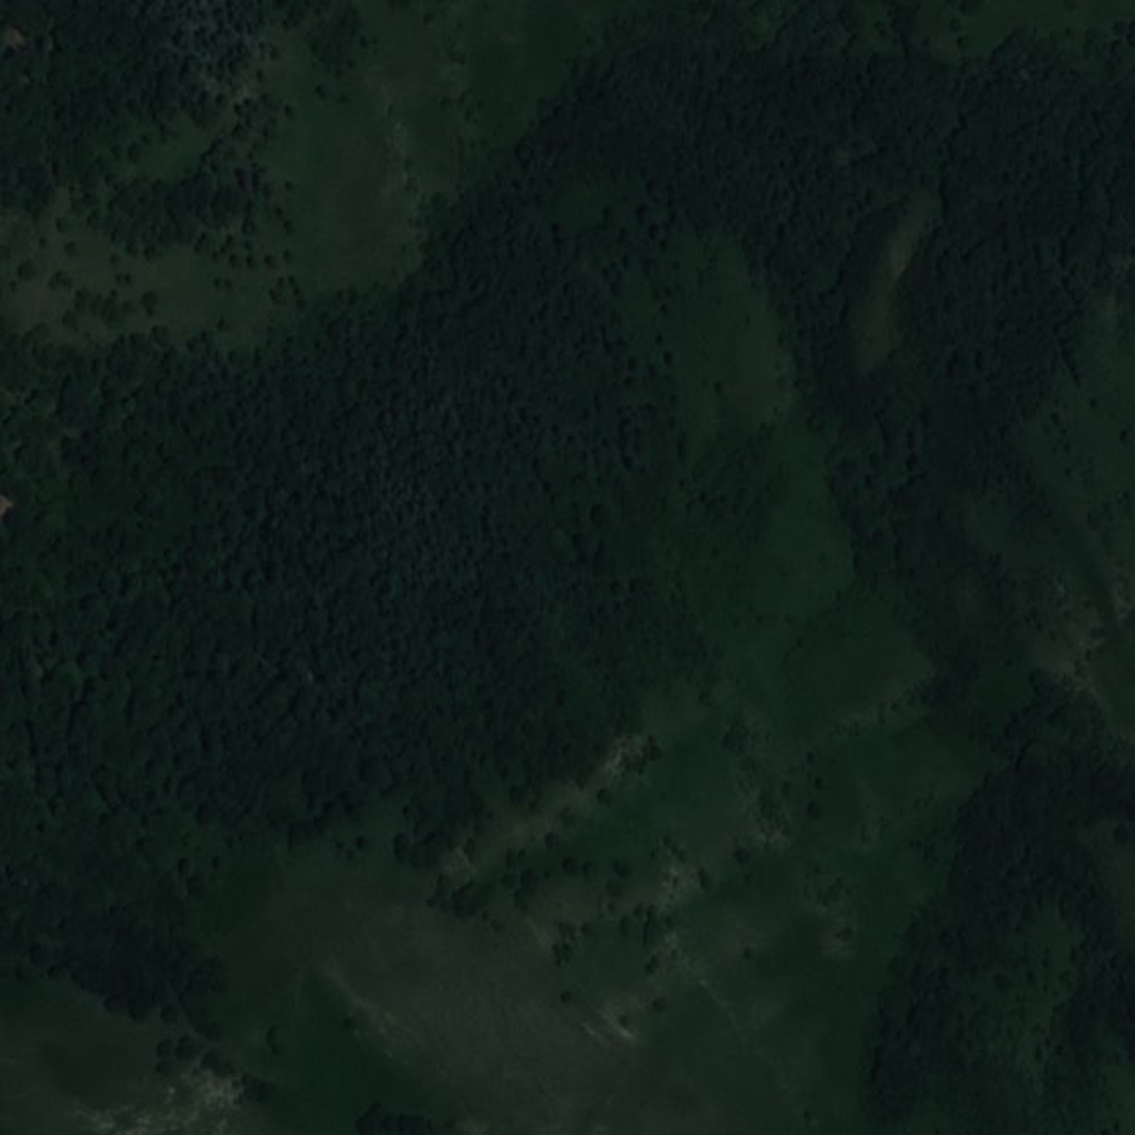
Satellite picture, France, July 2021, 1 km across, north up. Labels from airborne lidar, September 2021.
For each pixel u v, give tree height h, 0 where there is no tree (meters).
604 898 8
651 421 12
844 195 20
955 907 11
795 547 0
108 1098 0
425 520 19
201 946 21
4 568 22
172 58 20
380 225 0
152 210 18
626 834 0
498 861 0
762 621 8
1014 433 12
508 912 0
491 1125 0
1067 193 12
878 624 0
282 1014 0
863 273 13
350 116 0
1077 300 15
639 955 0
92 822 27
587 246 6
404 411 16
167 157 0
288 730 26
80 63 22
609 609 18
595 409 8
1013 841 21
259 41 22
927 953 12
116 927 21
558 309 12
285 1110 0
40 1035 0
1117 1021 13
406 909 0
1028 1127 8
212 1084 0
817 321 12
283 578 25
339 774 22
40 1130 0
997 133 22
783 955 0
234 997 0
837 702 0
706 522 8
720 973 0
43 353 13
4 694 14
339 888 0
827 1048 0
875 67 21
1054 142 11
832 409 11
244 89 17
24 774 22
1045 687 15
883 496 13
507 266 21
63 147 22
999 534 0
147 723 31
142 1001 16
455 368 13
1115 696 0
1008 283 10
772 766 6
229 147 26
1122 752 11
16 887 22
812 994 0
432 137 0
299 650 18
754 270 8
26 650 32
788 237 26
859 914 0
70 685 31
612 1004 0
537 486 13
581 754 15
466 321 19
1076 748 23
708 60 22
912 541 19
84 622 24
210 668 9
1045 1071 8
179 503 9
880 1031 10
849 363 15
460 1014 0
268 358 15
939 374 12
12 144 24
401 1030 0
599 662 16
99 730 32
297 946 0
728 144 20
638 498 6
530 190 12
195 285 0
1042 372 7
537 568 11
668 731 0
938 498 10
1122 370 0
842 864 0
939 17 0
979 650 8
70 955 14
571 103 18
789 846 0
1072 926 8
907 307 11
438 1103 0
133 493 8
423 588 17
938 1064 7
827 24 21
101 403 8
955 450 9
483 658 6
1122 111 13
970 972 11
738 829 0
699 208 13
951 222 19
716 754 0
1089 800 7
